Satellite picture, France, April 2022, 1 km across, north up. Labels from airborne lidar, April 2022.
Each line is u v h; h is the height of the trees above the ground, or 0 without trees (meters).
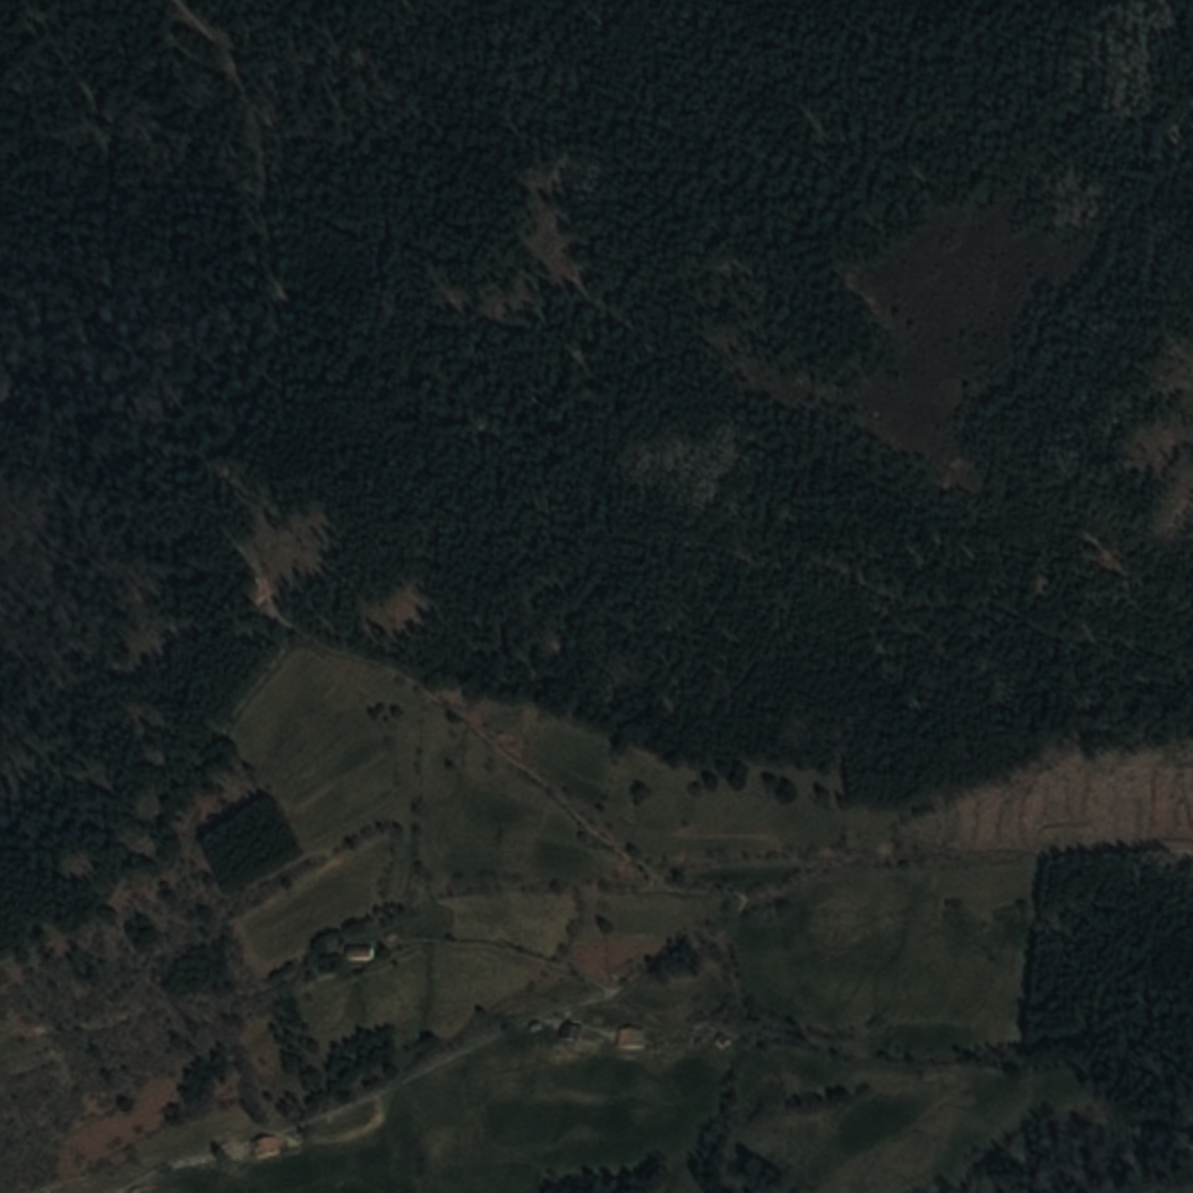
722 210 23
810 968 0
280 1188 0
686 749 17
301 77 24
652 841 0
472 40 20
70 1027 9
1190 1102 16
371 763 0
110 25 25
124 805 19
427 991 0
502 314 0
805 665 10
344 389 16
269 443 25
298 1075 10
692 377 16
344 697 0
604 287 22
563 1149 0
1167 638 9
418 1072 11
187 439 8
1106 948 27
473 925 0
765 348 16
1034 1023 24
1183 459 17
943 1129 0
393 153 17
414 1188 0
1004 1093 0
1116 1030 28
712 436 21
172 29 28
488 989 0
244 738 0
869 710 14
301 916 0
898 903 0
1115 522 10
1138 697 13
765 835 0
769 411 15
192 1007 14
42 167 23
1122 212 17
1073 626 11
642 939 0
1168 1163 11
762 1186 12
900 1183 0
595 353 17
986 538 16
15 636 19
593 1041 0
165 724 16
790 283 16
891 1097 0
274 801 15
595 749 0
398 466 25
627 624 23
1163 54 20
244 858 28
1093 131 15
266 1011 14
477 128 13
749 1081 0
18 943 24
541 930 0
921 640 10
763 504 21
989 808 0
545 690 8
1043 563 13
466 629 26
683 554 22
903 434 0
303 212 26
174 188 10
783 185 25
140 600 22
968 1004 0
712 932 15
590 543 25
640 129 20
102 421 14
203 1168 0
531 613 22
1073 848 0
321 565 0
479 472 20
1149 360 10
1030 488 11
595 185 19
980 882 0
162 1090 0
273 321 12
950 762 27
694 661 10
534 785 6
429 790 0
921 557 9
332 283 24
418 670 24
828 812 9
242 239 25
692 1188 0
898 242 17
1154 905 30
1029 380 15
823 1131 0
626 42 20
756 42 20
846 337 19
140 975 11
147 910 15
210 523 27
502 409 21
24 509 20
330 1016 0
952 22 14
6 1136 8
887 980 0
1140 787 0
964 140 22
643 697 22
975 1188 9
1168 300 14
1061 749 11
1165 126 22
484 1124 0
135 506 19
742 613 15
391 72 8
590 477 25
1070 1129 13
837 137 21
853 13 17
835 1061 9
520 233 25
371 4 23
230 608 20
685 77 24
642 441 18
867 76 25
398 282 24
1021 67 25
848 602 9
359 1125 0
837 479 13
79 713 21
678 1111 0
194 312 20
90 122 23
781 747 19
